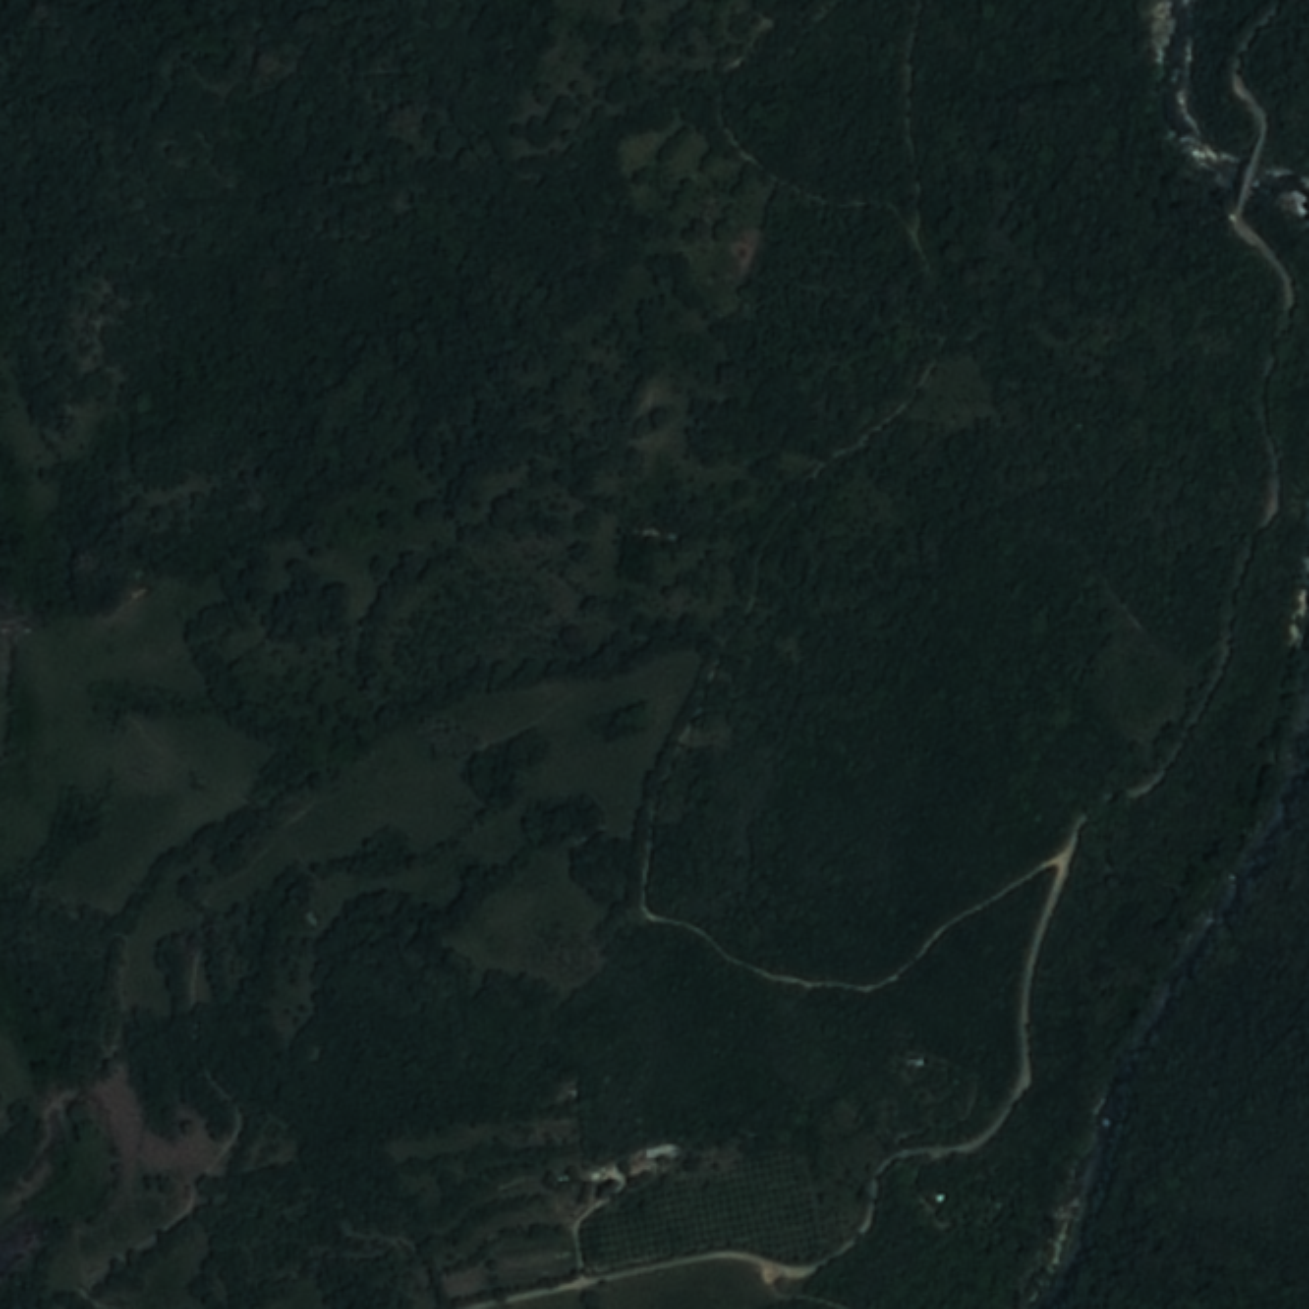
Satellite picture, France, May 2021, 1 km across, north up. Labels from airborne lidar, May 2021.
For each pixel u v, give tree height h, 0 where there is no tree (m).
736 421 11
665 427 13
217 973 9
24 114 9
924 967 6
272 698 6
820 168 8
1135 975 17
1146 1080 15
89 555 16
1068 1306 14
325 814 0
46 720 0
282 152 5
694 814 6
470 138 9
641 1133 7
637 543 9
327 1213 7
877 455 9
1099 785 6
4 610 0
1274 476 10
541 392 9
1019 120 13
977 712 8
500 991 12
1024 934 7
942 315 6
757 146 8
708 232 12
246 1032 10
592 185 10
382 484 8
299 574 9
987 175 9
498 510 12
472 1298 6
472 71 13
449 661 8
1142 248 15
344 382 12
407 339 14
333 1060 7
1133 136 19
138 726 0
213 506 7
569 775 0
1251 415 7
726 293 0
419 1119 8
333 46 6
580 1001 9
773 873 7
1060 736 6
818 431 16
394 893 11
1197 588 7
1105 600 11
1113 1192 16
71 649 0
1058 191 14
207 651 7
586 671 10
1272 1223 7
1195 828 19
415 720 7
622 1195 10
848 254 10
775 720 8
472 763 8
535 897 0
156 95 8
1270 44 8
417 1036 8
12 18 6
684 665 0
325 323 11
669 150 8
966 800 8
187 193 8
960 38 12
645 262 8
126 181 7
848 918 7
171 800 0
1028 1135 5
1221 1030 10
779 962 6
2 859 0
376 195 8
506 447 12
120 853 0
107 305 6
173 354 6
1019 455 6
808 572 8
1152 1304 10
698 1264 0
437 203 11
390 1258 9
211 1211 7
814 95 8
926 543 11
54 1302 10
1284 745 14
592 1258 7
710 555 8
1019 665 9
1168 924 16
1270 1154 7
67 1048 6
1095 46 10
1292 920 10
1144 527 5
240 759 0
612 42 9
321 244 6
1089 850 10
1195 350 6
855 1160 0
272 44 7
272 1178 8
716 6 10
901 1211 9
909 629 7
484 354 8
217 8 11
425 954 9
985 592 6
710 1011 7
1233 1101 6
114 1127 6
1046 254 14
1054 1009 10
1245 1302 14
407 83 16
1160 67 15
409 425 10
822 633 8
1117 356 7
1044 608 10
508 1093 5
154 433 9
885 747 6
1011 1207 8
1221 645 8
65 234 7
